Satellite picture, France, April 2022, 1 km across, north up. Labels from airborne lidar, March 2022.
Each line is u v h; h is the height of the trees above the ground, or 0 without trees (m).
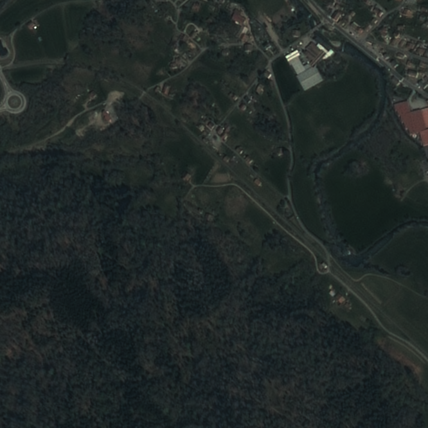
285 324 35
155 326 24
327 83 0
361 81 0
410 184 0
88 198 26
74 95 0
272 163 0
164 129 0
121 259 23
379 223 0
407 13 0
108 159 0
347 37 0
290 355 23
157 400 22
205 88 6
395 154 16
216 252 25
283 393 23
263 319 25
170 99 0
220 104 0
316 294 14
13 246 19
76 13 0
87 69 16
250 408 25
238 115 0
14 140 9
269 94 6
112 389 12
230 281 23
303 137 0
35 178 9
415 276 0
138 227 30
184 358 12
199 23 19
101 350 32
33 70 0
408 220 19
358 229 0
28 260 9
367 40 0
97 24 11
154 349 20
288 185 0
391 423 34
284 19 14
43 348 32
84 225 27
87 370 20
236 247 7
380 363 26
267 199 0
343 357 28
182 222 17
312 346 28
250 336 22
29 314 12
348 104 0
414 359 0
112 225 28
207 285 25
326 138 0
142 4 0
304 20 24
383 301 0
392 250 0
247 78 24
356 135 22
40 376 29
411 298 0
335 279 0
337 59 11
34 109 9
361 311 0
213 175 0
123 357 20
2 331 29
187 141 0
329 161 16
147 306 32
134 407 15
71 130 0
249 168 0
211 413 27
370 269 10
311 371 21
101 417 11
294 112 0
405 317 0
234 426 22
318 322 13
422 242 0
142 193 14
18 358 34
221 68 0
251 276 16
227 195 0
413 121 0
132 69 0
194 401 23
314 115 0
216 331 18
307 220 0
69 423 13
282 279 16
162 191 0
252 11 0
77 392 30
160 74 0
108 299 26
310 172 17
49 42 0
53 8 0
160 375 9
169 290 25
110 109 0
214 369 26
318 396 26
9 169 6
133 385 21
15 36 0
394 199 0
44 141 0
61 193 28
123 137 16
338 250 21
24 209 8
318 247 0
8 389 32
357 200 0
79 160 7
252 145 0
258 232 0
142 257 27
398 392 6
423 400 19
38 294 5
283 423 25
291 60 0
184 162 0
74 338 13
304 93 0
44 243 10
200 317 28
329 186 0
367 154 19
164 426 22
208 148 0
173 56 0
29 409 29
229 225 0
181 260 9
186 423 14
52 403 27
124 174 17
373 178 0
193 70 0
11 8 0
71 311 21
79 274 18
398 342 0
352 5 7
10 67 0
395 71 0
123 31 12
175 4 0
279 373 19
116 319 27
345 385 27
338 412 29
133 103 18
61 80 9
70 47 0
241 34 0
